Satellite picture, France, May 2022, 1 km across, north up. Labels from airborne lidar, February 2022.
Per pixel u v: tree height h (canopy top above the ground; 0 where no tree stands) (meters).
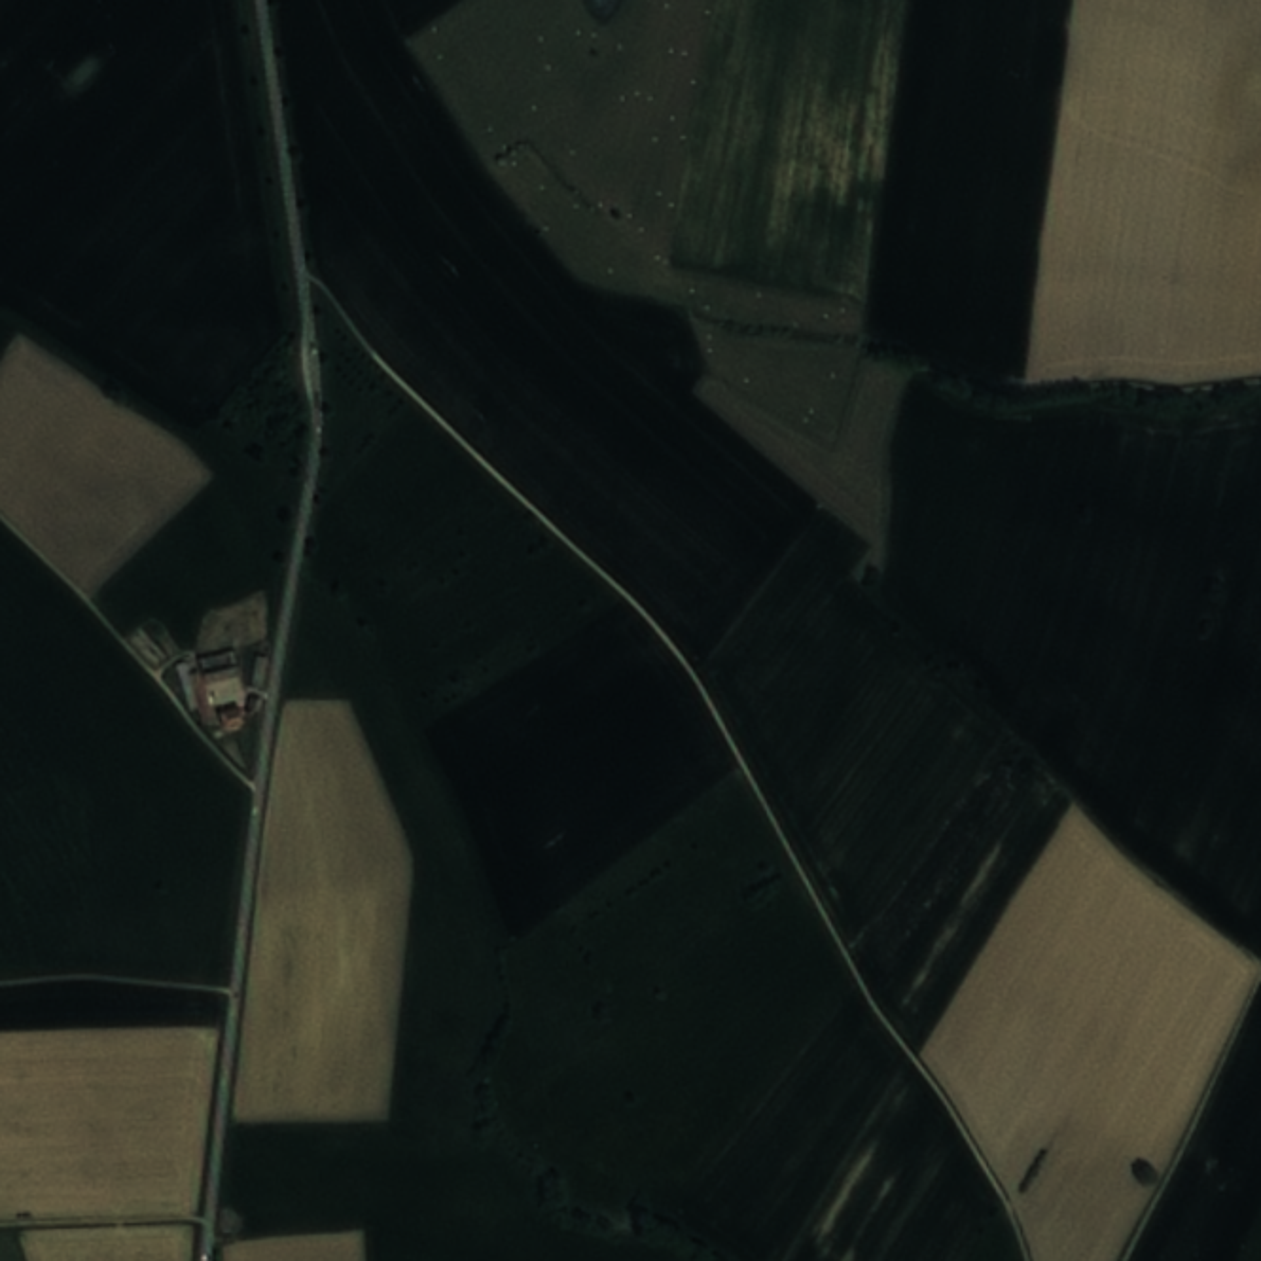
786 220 0
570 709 0
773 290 0
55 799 0
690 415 0
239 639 0
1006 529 0
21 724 0
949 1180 0
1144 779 0
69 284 0
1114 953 0
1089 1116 0
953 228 0
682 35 0
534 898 0
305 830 0
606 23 0
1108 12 0
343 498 0
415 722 0
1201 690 0
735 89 0
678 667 0
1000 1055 0
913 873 0
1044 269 0
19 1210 0
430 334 0
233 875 0
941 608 0
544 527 0
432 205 0
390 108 0
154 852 0
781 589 0
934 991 0
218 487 0
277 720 0
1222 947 0
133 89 0
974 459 0
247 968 0
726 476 0
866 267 0
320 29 0
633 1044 0
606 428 0
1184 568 0
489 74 0
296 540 0
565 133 0
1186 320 0
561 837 0
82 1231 0
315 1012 0
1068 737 0
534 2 0
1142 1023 0
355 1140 0
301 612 0
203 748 0
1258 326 0
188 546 0
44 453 0
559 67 0
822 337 0
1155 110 0
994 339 0
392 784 0
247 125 0
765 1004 0
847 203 0
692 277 0
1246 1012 0
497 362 0
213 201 0
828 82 0
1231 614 0
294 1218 0
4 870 0
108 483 0
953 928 0
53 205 0
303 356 0
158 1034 0
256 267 0
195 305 0
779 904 0
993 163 0
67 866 0
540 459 0
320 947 0
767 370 0
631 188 0
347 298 0
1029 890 0
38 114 0
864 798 0
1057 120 0
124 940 0
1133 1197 0
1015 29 0
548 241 0
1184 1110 0
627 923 0
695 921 0
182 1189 0
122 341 0
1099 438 0
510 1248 0
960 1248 0
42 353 0
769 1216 0
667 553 0
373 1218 0
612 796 0
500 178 0
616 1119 0
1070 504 0
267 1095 0
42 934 0
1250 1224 0
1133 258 0
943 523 0
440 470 0
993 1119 0
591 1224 15
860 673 0
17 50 0
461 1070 0
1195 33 0
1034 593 0
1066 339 0
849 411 0
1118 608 0
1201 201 0
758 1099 0
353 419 0
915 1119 0
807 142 0
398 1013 0
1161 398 16
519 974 0
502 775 0
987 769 0
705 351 0
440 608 0
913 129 0
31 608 0
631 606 0
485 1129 9
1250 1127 0
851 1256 0
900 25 0
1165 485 0
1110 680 0
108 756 0
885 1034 0
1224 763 0
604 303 0
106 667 0
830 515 0
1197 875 0
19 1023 0
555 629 0
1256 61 0
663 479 0
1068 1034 0
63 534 0
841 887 0
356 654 0
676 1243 20
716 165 0
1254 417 0
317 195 0
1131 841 0
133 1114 0
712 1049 0
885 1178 0
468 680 11
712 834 0
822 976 0
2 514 0
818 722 0
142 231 0
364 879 0
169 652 0
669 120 0
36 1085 0
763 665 0
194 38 0
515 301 0
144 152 0
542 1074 0
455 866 0
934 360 0
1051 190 0
